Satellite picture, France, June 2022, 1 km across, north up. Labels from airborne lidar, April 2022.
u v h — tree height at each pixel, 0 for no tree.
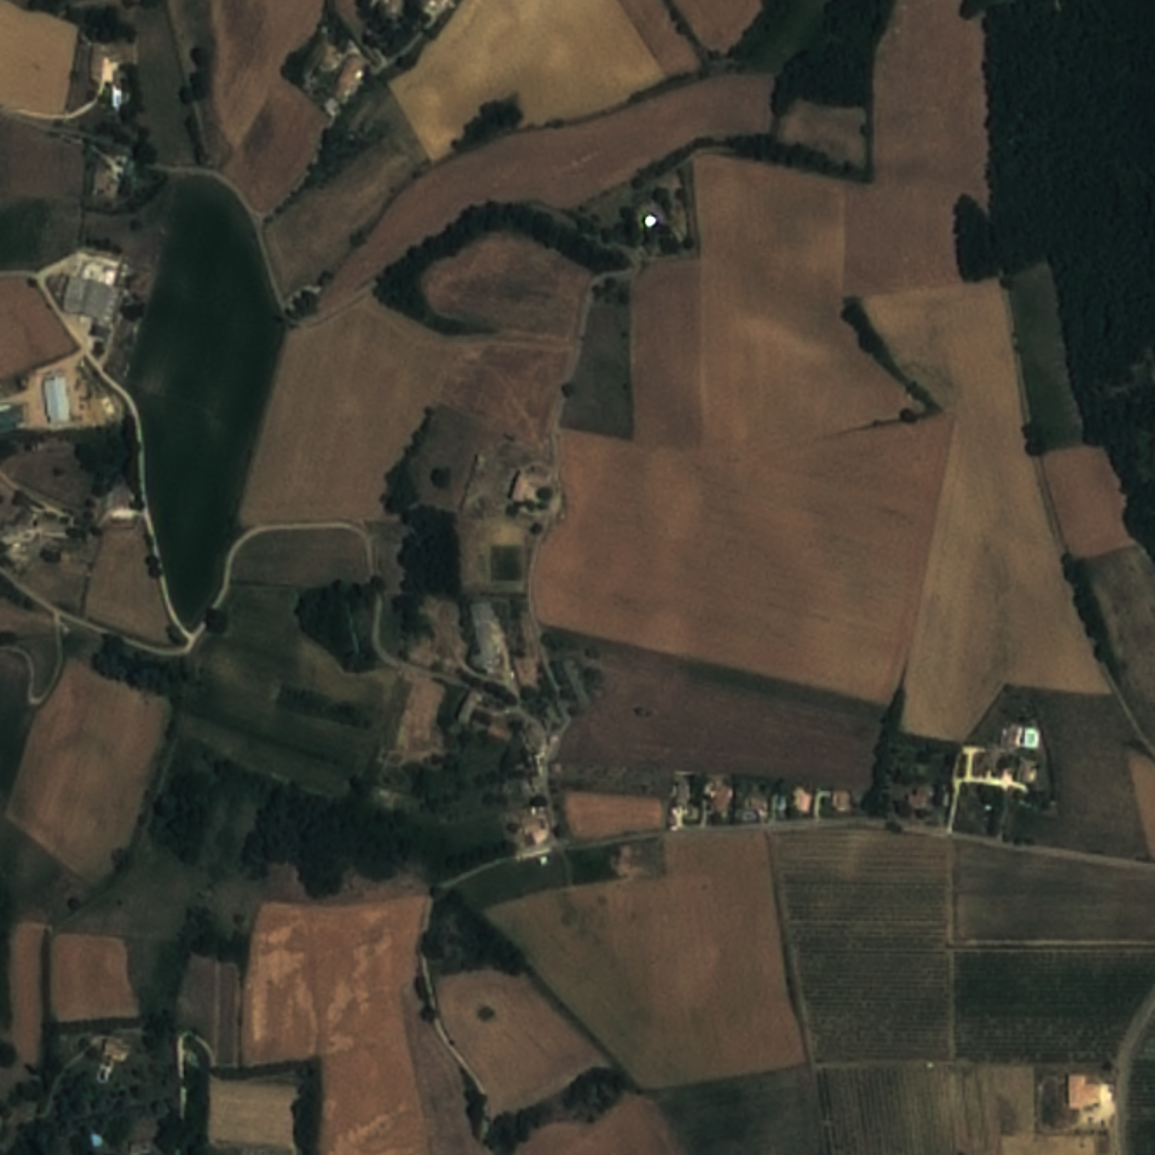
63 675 0
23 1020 0
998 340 0
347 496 0
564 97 0
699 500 0
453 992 0
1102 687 0
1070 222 13
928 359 0
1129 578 0
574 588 0
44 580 0
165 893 0
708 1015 0
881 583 0
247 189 0
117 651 15
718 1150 0
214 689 0
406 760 0
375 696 0
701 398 0
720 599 0
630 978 0
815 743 0
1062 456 0
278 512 0
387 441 0
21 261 0
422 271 8
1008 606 0
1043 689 0
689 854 0
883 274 0
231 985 0
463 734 6
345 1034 0
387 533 0
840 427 0
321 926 0
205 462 0
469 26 0
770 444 0
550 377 0
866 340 10
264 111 0
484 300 0
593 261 16
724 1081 0
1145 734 0
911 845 0
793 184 0
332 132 13
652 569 0
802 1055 0
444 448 0
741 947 0
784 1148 0
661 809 0
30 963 0
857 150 0
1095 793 0
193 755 0
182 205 0
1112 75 17
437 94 0
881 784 7
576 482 0
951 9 0
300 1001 0
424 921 0
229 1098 0
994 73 20
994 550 0
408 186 0
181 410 0
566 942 0
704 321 0
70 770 0
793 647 0
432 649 0
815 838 0
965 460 0
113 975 0
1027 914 0
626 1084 9
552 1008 0
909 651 0
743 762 0
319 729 0
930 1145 0
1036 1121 0
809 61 18
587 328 0
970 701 0
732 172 0
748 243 0
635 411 0
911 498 0
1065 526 0
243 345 0
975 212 17
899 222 0
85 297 0
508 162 0
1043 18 19
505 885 0
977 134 0
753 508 0
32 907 0
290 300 0
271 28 0
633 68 0
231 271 0
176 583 0
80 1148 11
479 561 0
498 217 19
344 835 11
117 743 0
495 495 0
